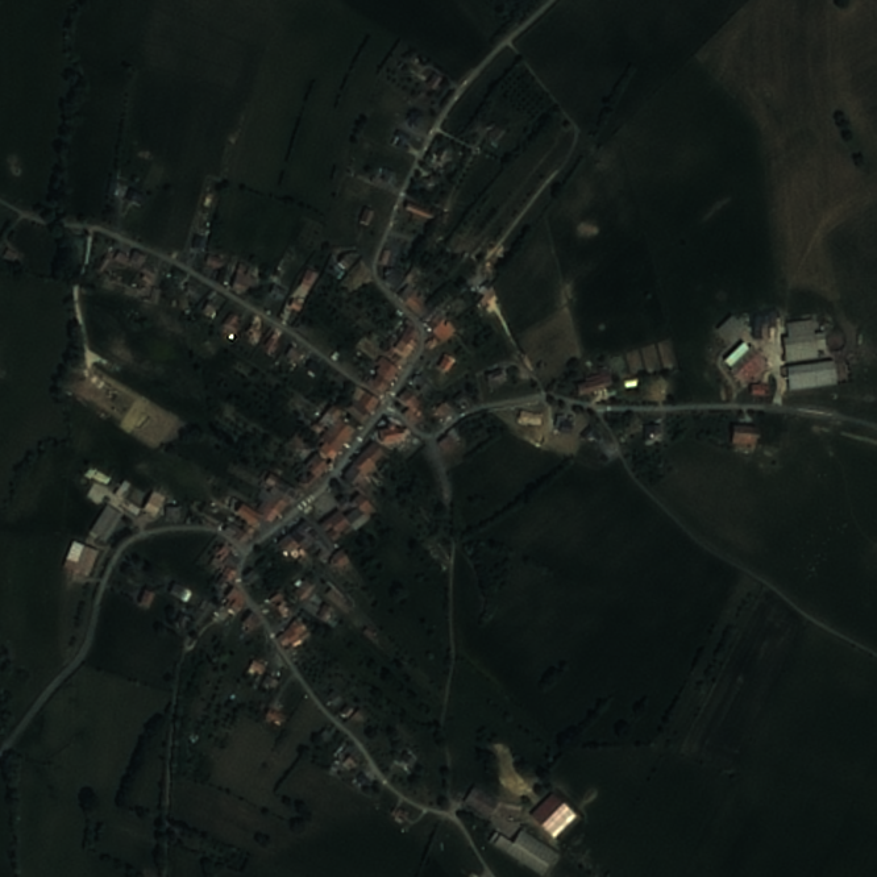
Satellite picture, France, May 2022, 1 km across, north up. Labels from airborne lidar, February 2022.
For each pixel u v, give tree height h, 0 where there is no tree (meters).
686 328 0
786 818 0
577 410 8
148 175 0
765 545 0
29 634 0
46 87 0
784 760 0
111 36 0
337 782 0
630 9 0
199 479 0
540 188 0
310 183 0
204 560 0
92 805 16
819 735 0
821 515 0
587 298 0
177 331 0
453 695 0
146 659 0
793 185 0
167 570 0
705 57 0
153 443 0
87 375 0
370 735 14
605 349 0
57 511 0
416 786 12
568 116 0
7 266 12
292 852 0
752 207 0
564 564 0
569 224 0
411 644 0
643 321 0
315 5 0
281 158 0
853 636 0
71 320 11
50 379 0
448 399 7
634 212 0
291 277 0
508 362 0
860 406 0
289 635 0
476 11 0
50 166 0
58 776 0
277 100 0
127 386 0
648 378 12
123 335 0
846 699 0
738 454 0
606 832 0
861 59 0
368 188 0
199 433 17
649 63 0
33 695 0
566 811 0
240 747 0
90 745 0
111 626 0
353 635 0
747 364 0
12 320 0
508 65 0
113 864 8
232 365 0
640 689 0
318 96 0
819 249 0
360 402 0
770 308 0
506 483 0
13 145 0
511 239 0
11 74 0
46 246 0
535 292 0
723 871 0
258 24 0
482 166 0
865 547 0
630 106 0
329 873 0
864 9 0
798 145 0
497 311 0
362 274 0
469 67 0
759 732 0
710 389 0
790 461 0
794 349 0
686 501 0
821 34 0
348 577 0
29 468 10
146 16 0
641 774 0
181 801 0
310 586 0
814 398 0
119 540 12
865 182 0
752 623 0
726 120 0
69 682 0
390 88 0
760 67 0
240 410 8
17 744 0
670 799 0
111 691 0
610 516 0
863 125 0
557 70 0
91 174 0
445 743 11
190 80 0
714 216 0
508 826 0
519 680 0
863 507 0
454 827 0
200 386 0
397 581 0
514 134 0
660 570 0
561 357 0
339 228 0
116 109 0
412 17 0
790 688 0
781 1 0
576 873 0
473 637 0
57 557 0
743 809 0
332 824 0
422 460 0
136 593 0
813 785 0
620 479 0
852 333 0
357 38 0
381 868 0
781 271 0
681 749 0
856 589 0
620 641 0
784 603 0
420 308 0
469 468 0
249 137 0
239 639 0
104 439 0
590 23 0
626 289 0
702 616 0
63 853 0
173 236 0
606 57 0
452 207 0
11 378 0
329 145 0
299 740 0
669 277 0
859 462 0
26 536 0
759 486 0
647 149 0
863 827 0
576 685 0
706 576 0
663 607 0
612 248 0
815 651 0
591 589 0
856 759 0
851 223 0
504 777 0
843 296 0
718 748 0
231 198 0
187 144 0
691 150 0
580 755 0
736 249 0
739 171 0
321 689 0
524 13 7
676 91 0
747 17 0
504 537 0
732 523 0
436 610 0
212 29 0
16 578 0
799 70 0
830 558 0
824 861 0
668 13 0
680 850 0
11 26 0
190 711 0
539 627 0
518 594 0
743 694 0
